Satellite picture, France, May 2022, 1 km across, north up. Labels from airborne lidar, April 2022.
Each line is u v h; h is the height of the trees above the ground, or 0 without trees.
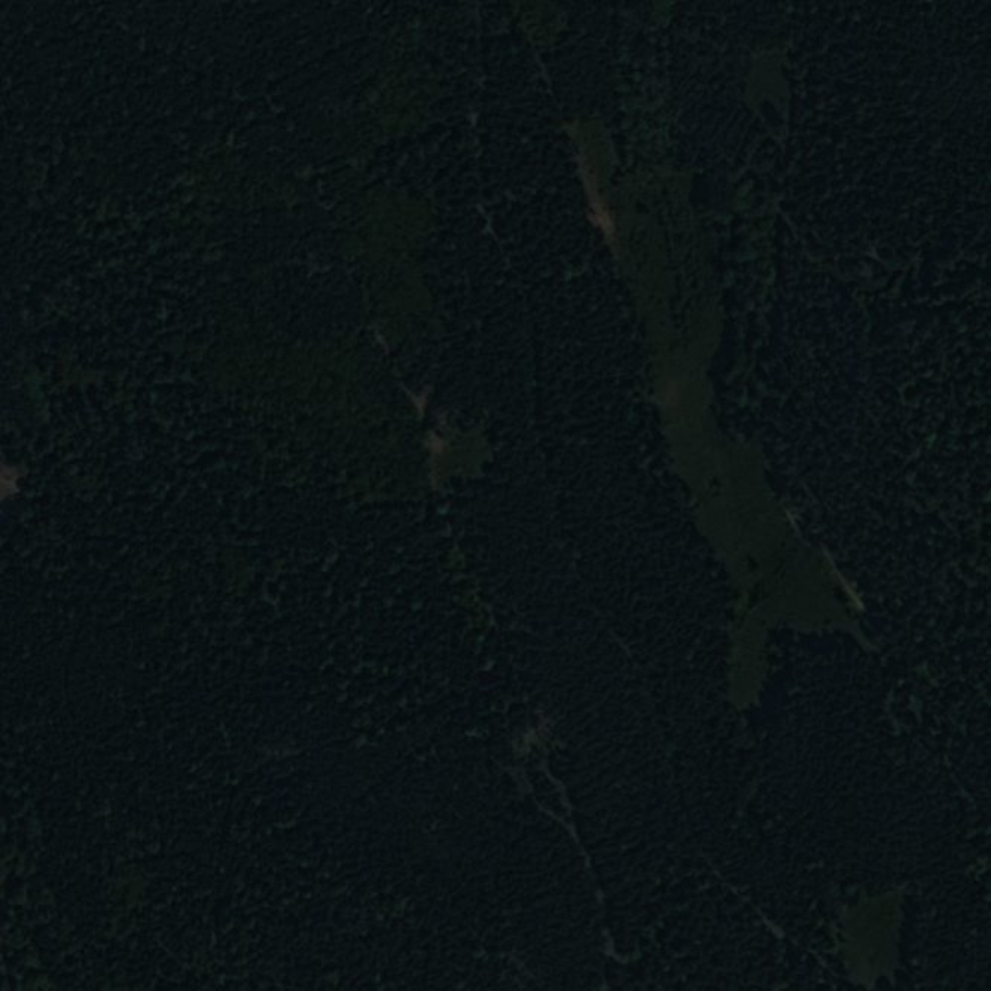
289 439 10
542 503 29
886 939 0
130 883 18
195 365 18
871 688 26
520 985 26
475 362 25
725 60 29
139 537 18
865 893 27
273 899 15
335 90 16
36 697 24
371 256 9
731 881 32
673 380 0
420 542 21
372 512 16
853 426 34
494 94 18
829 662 29
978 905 27
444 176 25
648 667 29
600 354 24
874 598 25
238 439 14
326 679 24
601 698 23
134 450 39
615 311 23
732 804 27
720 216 24
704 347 0
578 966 27
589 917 25
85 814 25
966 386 25
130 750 19
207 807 22
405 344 11
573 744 21
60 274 25
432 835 27
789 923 33
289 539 18
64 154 24
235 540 16
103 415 42
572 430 30
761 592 7
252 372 10
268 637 19
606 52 24
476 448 0
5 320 30
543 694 25
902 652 32
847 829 23
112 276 9
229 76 23
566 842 25
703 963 34
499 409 30
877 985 0
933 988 25
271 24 17
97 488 15
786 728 33
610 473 24
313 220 10
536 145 25
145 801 17
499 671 21
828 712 29
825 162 22
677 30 33
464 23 12
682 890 32
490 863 22
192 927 17
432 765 22
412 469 12
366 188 12
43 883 20
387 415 11
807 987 31
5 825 37
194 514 25
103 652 24
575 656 25
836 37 25
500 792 19
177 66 25
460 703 23
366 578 21
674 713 31
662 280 0
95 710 21
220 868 25
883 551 32
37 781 28
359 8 18
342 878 27
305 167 9
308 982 32
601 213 0
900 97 26
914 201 27
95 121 23
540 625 23
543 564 29
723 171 24
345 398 10
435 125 8
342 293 12
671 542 32
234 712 25
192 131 22
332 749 28
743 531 0
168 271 18
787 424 40
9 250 32
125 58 18
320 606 22
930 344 38
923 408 26
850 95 39
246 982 11
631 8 26
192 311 19
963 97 30
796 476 31
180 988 22
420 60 11
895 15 22
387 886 24
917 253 9
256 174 11
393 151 24
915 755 36
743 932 33
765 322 8
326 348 13
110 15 16
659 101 24
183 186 10
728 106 31
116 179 16
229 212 16
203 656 17
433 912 25
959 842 34
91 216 15
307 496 19
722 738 32
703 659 28
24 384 30
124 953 21
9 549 27
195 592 17
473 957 18
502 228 29
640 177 23
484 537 25
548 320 27
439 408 20
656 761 28
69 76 15
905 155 22
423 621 23
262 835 25
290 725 27
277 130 13
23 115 28
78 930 22
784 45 16
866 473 32
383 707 22
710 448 0
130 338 35
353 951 23
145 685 18
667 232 10
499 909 27
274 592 17
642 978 33
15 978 16
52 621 24
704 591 29
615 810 26
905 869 32
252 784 25
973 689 30
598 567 30
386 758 25
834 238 27
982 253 18
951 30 30
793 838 32
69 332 28
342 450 9
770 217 8
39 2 19
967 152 25
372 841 25
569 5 18
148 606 23
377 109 13
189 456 20
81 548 18
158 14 21
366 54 19
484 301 25
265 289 15
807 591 0
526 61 23
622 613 26
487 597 26
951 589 38
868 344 33
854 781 27
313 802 25
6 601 22
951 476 26
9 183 30
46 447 32
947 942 26
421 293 12
